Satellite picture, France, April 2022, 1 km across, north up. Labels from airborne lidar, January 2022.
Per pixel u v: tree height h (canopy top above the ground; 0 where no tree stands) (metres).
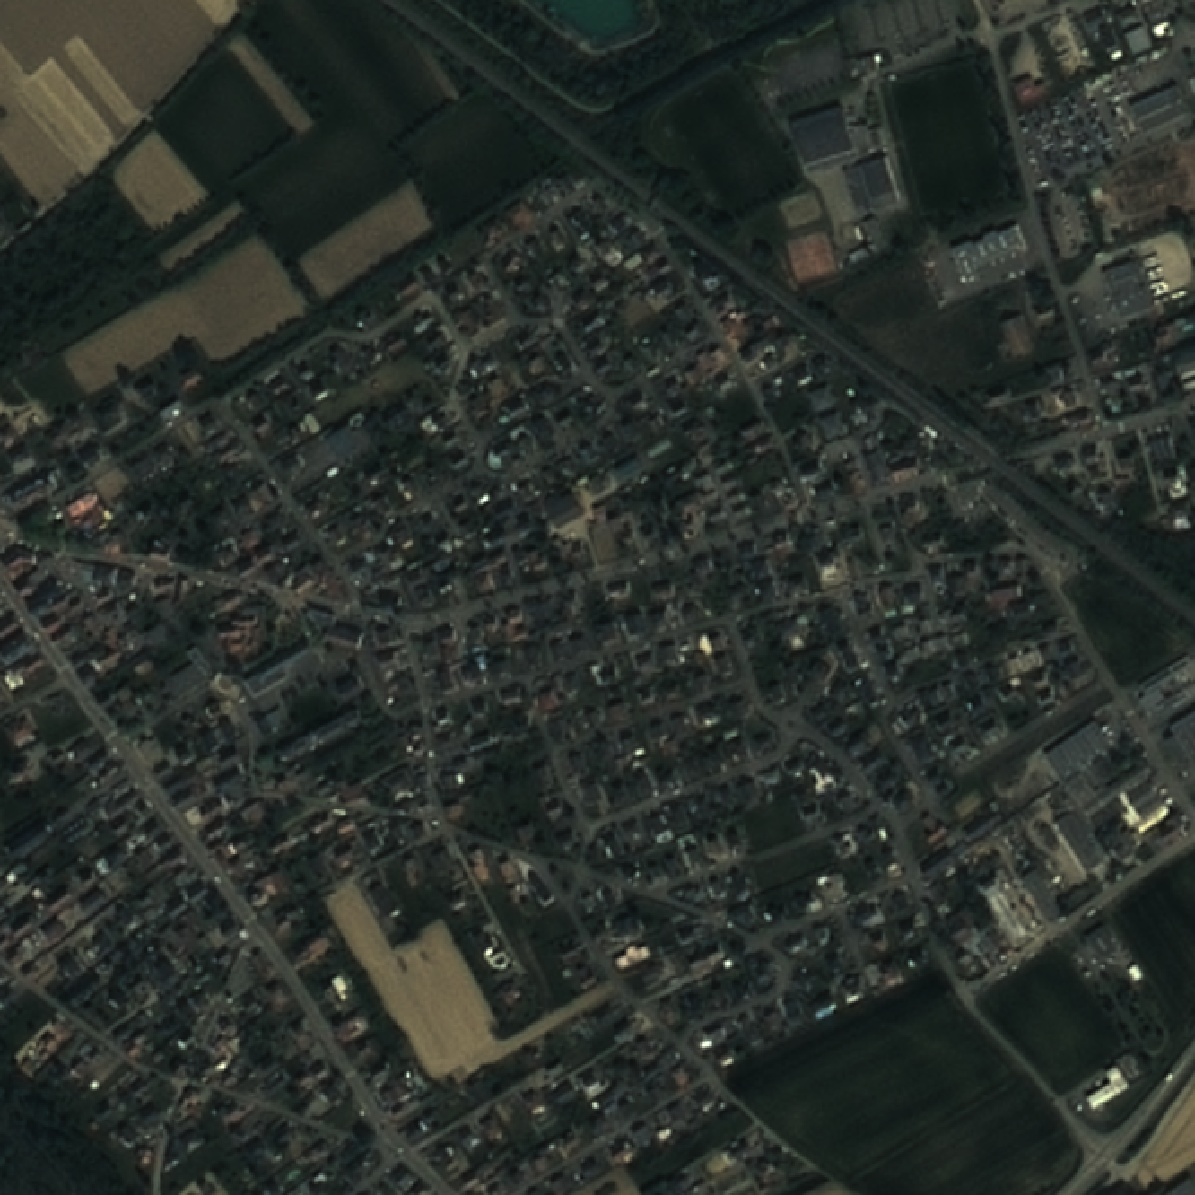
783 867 0
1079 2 0
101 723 0
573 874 0
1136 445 9
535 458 0
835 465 0
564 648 0
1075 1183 0
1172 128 0
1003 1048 0
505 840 10
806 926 0
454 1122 0
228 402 0
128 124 0
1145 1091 0
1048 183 0
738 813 6
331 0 0
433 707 0
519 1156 6
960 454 11
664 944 0
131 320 0
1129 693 0
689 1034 0
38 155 0
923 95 0
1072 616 0
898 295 0
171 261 0
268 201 0
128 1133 0
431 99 0
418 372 0
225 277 0
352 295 6
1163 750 0
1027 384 0
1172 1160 0
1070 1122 0
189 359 15
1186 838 0
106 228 6
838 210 0
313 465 0
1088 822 0
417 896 0
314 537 0
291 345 6
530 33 12
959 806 0
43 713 0
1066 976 0
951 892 0
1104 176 0
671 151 0
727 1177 0
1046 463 0
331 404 0
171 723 0
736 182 0
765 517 0
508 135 0
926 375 0
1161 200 0
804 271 0
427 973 0
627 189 9
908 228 0
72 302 6
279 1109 0
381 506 0
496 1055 0
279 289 0
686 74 11
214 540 8
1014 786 0
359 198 0
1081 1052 0
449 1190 0
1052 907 0
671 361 0
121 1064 0
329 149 0
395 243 0
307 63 0
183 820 0
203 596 0
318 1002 0
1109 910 0
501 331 0
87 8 0
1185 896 0
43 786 0
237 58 0
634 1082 0
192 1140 0
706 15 14
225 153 0
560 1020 0
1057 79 0
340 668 0
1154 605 10
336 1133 0
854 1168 0
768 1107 0
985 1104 0
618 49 0
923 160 0
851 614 0
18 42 0
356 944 0
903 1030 0
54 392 0
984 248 0
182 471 9
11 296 6
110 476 0
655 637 0
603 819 0
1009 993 0
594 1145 0
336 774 15
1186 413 0
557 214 0
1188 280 0
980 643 0
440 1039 0
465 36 7
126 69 0
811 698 0
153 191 0
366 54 0
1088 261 0
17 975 0
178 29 0
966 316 0
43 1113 30
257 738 0
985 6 0
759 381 0
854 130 0
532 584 0
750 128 0
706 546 0
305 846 7
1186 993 0
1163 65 0
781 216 0
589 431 0
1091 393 0
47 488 0
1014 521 0
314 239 0
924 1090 0
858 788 0
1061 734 0
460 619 0
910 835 0
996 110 13
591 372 0
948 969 0
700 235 0
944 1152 0
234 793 0
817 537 0
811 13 12
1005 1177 0
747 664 0
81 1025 0
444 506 0
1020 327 0
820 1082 0
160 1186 0
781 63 0
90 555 0
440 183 0
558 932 0
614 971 0
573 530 0
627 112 10
